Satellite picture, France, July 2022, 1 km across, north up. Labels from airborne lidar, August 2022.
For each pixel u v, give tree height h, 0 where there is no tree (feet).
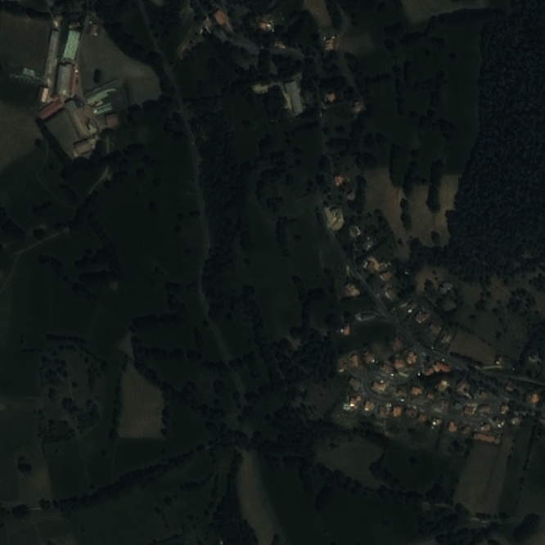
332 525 0
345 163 0
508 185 64
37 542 0
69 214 0
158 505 0
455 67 0
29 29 0
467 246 51
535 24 38
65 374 46
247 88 46
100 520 0
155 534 0
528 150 48
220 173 18
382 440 34
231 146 60
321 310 0
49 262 74
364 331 0
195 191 0
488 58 69
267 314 0
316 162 0
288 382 51
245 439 69
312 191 23
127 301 0
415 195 0
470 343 0
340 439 0
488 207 81
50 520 0
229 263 52
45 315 0
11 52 0
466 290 0
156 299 0
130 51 78
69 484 0
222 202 27
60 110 30
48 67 0
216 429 76
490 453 0
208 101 31
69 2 19
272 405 0
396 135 0
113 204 0
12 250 0
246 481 0
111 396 0
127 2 31
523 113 70
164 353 59
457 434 0
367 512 0
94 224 68
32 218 0
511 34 99
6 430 0
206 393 0
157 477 40
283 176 51
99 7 67
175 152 0
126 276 0
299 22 38
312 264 0
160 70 58
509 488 0
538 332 43
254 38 32
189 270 0
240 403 42
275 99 66
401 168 0
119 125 0
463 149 0
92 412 52
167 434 30
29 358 0
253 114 0
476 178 82
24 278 0
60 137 0
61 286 0
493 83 24
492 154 24
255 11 46
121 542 0
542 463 0
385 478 77
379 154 0
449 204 0
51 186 0
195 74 0
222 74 23
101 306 0
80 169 80
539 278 31
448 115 0
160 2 0
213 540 0
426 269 0
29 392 0
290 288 0
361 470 0
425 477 0
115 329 0
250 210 0
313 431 51
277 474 0
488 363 0
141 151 51
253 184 0
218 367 65
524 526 69
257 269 0
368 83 58
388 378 0
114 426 43
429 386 42
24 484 0
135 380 0
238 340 0
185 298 0
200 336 49
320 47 38
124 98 0
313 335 34
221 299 37
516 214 57
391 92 0
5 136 0
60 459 0
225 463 0
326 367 54
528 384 18
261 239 0
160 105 51
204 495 0
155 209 58
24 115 0
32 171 0
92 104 0
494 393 41
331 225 0
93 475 0
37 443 0
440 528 52
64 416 0
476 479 0
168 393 85
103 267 0
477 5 0
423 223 0
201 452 51
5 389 0
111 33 78
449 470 0
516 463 0
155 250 0
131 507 0
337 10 60
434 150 0
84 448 0
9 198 0
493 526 54
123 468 0
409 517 0
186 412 0
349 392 0
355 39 0
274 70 0
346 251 40
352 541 0
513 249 38
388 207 0
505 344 0
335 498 0
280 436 43
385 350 0
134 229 0
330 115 0
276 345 30
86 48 0
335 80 62
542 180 26
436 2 0
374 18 0
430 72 0
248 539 71
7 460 0
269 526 0
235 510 81
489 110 67
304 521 0
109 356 0
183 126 0
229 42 34
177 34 0
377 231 30
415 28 0
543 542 0
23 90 0
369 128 0
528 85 96
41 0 0
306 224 0
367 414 0
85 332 0
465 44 0
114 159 63
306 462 97
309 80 45
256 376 65
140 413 0
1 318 0
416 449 0
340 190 22
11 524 0
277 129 0
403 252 0
